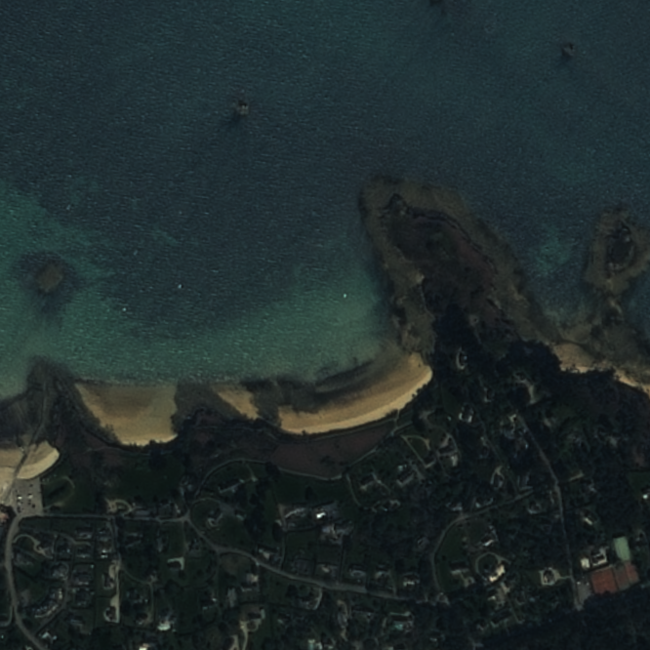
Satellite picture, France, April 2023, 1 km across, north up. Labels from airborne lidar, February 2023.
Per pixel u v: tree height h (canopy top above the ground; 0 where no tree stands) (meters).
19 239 0
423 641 11
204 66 0
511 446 12
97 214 0
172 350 0
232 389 0
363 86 0
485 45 0
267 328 0
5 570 7
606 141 0
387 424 0
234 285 0
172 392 0
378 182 0
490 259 0
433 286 0
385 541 16
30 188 0
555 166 0
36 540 0
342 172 0
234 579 7
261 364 0
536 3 0
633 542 7
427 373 0
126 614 13
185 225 0
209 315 0
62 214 0
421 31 0
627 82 0
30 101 0
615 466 17
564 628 11
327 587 9
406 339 0
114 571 0
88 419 0
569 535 19
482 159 0
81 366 0
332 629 12
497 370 13
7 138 0
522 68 0
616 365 0
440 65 0
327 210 0
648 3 0
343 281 0
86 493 0
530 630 20
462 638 20
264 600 7
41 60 0
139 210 0
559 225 0
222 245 0
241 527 0
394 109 0
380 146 0
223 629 9
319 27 0
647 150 0
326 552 0
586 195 0
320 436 0
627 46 0
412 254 0
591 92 0
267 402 0
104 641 0
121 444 0
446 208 0
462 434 21
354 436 0
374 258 0
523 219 0
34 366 0
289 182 0
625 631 17
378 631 9
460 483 7
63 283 0
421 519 15
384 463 0
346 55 0
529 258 0
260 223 0
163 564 0
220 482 0
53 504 0
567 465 12
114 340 0
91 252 0
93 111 0
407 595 12
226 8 0
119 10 0
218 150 0
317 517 0
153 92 0
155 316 0
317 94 0
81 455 0
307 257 0
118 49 0
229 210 0
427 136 0
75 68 0
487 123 0
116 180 0
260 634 0
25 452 0
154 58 0
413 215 0
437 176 0
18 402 0
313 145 0
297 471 0
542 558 19
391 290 0
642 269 0
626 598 15
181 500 6
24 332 0
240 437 0
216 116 0
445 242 0
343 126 0
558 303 0
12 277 0
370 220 0
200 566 0
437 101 0
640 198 0
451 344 17
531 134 0
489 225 0
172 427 0
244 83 0
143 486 0
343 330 0
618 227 0
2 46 0
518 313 0
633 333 0
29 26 0
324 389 0
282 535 9
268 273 0
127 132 0
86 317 0
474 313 0
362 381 0
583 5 0
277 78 0
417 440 0
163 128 0
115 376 0
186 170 0
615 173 0
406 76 0
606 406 17
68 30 0
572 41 0
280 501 0
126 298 0
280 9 0
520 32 0
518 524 10
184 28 0
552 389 13
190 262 0
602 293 0
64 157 0
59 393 0
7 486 0
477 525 0
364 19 0
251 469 0
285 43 0
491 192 0
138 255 0
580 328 0
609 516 21
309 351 0
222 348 0
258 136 0
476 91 0
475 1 0
